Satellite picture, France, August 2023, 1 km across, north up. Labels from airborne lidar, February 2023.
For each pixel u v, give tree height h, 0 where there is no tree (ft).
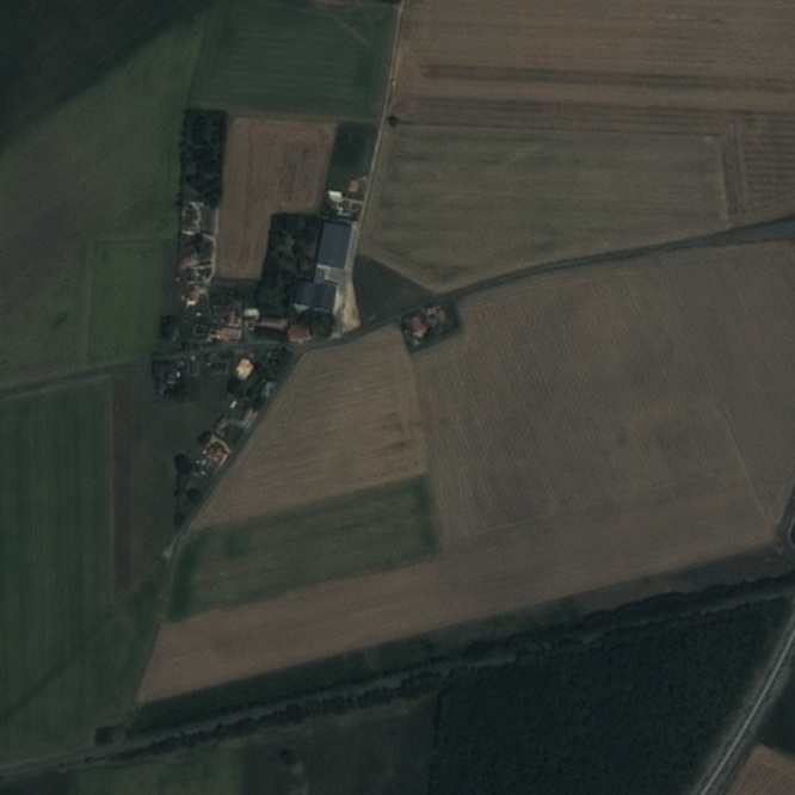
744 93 0
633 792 70
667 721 74
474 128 0
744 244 0
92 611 0
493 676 61
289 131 0
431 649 26
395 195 0
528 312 0
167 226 0
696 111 0
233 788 0
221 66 0
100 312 0
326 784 0
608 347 0
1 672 0
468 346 0
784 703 0
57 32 0
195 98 0
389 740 0
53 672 0
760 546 0
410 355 0
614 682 74
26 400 0
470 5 0
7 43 0
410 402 0
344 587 0
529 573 0
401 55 0
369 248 0
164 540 0
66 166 0
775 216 0
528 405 0
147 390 0
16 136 0
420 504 0
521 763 78
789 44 0
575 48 0
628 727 65
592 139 0
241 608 0
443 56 0
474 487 0
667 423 0
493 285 0
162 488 0
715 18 0
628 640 72
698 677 83
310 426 0
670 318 0
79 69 0
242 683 0
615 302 0
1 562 0
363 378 0
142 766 0
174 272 0
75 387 0
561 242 0
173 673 0
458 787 73
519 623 0
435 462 0
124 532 0
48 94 0
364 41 0
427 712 0
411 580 0
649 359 0
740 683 76
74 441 0
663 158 0
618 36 0
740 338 0
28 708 0
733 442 0
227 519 0
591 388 0
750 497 0
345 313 0
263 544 0
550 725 86
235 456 0
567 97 0
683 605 44
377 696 47
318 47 0
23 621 0
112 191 0
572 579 0
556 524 0
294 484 0
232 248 0
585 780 56
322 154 0
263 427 0
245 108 0
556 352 0
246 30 0
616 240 0
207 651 0
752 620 45
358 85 0
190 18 0
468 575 0
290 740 0
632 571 0
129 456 0
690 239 0
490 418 0
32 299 0
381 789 0
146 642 0
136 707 0
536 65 0
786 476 0
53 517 0
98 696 0
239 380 0
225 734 40
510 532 0
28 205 0
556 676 80
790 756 0
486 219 0
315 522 0
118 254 0
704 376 0
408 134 0
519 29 0
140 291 0
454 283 0
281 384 0
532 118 0
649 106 0
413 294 0
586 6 0
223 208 0
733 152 0
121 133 0
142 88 0
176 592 0
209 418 0
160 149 0
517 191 0
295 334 0
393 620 0
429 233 0
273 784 0
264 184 0
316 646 0
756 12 0
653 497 0
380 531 0
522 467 0
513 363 0
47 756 0
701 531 0
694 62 0
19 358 0
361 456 0
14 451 0
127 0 0
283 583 0
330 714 53
